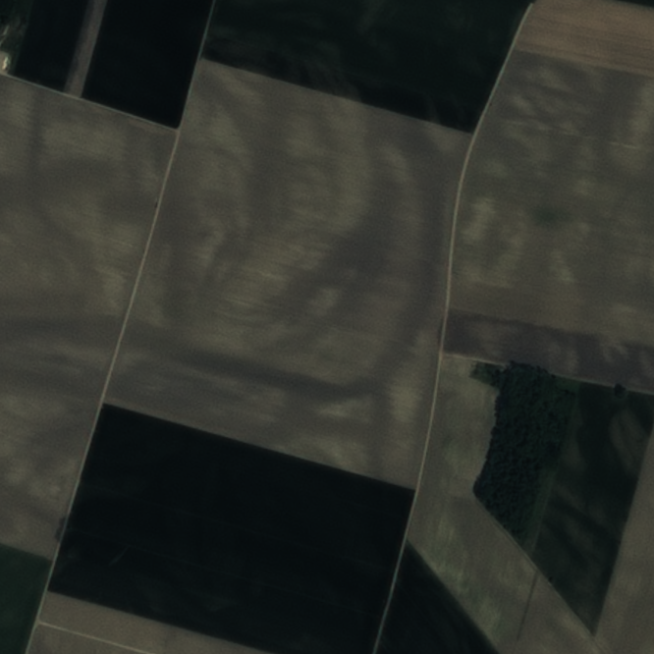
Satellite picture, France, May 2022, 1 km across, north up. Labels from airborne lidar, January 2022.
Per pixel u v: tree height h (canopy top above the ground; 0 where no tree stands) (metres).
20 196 0
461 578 0
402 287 0
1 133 0
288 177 0
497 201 0
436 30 0
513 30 0
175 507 0
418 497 0
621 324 0
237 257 0
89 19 0
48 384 0
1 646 0
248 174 0
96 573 0
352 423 0
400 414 0
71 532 0
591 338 0
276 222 0
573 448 0
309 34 0
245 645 0
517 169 0
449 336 0
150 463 0
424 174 0
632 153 0
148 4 0
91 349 0
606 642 0
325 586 0
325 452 0
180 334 0
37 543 0
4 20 12
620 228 0
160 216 0
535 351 0
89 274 0
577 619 0
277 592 0
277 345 0
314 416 0
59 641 0
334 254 0
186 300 0
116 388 0
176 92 0
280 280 0
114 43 0
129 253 0
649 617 0
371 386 0
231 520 0
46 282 0
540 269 0
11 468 0
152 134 0
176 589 0
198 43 0
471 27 0
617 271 0
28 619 0
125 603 0
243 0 0
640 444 0
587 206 0
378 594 0
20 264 0
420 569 0
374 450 0
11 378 0
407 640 0
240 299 0
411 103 0
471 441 0
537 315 0
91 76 0
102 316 0
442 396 0
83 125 0
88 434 0
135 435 0
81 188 0
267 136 0
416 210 0
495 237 0
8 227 0
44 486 0
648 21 0
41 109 0
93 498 0
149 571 0
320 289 0
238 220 0
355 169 0
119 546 0
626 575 0
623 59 0
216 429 0
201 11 0
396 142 0
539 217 0
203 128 0
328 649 0
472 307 0
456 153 0
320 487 0
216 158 0
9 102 0
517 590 0
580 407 0
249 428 0
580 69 0
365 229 0
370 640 0
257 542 0
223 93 0
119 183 0
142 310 0
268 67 0
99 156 0
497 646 0
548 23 0
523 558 0
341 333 0
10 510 0
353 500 0
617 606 0
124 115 0
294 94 0
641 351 0
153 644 0
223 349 0
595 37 0
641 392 0
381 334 0
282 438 0
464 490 0
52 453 0
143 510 0
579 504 0
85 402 0
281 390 0
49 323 0
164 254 0
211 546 0
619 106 0
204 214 0
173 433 0
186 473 0
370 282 0
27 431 0
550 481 0
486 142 0
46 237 0
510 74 0
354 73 0
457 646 0
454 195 0
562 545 0
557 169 0
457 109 0
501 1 0
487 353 0
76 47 0
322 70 0
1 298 0
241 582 0
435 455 0
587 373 0
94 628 0
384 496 0
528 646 0
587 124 0
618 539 0
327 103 0
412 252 0
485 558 0
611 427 0
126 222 0
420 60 0
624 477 0
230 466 0
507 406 24
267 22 0
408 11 0
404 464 0
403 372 0
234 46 0
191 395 0
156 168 0
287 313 0
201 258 0
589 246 0
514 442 16
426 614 0
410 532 0
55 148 0
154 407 0
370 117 0
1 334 0
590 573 0
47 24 0
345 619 0
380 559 0
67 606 0
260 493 0
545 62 0
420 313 0
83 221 0
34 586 0
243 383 0
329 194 0
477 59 0
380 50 0
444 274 0
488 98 0
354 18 0
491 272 0
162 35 0
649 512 0
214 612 0
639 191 0
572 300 0
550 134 0
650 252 0
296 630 0
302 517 0
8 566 0
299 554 0
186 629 0
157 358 0
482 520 0
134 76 0
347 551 0
